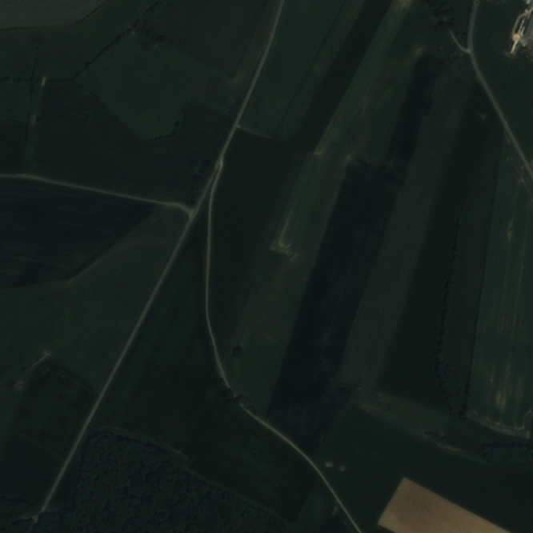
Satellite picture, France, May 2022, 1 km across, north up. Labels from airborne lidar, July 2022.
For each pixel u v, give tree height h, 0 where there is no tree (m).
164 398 0
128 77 0
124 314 0
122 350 0
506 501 0
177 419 0
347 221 0
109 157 0
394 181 0
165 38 11
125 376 0
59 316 0
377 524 0
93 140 0
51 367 0
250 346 0
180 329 0
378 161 0
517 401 0
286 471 0
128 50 0
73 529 17
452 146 0
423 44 0
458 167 0
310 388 0
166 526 25
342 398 0
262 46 0
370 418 0
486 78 0
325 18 0
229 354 0
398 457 0
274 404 0
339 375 0
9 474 0
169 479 23
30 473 0
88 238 0
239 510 23
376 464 0
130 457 22
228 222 0
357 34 0
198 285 0
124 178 0
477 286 0
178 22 0
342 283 0
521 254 0
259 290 0
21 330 0
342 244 0
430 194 0
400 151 0
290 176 0
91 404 0
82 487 18
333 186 0
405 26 0
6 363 0
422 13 0
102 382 0
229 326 0
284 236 0
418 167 0
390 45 0
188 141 0
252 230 0
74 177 0
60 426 0
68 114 0
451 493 0
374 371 0
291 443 0
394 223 0
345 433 0
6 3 0
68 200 0
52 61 0
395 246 0
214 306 0
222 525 25
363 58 0
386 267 0
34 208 0
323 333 0
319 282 0
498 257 0
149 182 0
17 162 0
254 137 0
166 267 0
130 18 0
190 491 21
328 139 0
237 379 0
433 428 0
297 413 0
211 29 0
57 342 0
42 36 0
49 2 0
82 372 0
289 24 0
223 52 0
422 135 0
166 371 0
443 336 12
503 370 0
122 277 0
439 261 0
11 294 0
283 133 0
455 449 8
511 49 0
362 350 0
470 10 8
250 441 0
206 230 0
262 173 0
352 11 0
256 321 0
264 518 23
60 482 0
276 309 0
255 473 0
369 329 0
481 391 0
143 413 0
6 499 14
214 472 0
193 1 0
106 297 0
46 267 0
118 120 0
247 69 0
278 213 0
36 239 0
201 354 0
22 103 0
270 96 0
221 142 0
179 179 0
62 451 0
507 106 0
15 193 0
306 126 0
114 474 20
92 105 0
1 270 0
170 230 0
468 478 0
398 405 0
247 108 0
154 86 0
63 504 0
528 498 0
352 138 0
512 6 0
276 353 0
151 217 0
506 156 0
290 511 0
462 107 0
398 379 0
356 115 0
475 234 0
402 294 0
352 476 0
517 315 0
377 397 0
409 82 0
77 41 0
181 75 0
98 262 0
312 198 0
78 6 0
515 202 0
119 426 0
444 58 0
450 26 19
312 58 0
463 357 0
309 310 0
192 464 0
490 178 0
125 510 21
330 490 0
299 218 0
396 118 0
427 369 0
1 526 12
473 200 0
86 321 0
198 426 0
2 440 0
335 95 0
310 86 0
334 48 0
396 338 0
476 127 0
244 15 0
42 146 0
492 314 0
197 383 0
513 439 0
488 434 0
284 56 0
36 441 0
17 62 0
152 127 0
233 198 0
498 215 0
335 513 0
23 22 0
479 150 0
